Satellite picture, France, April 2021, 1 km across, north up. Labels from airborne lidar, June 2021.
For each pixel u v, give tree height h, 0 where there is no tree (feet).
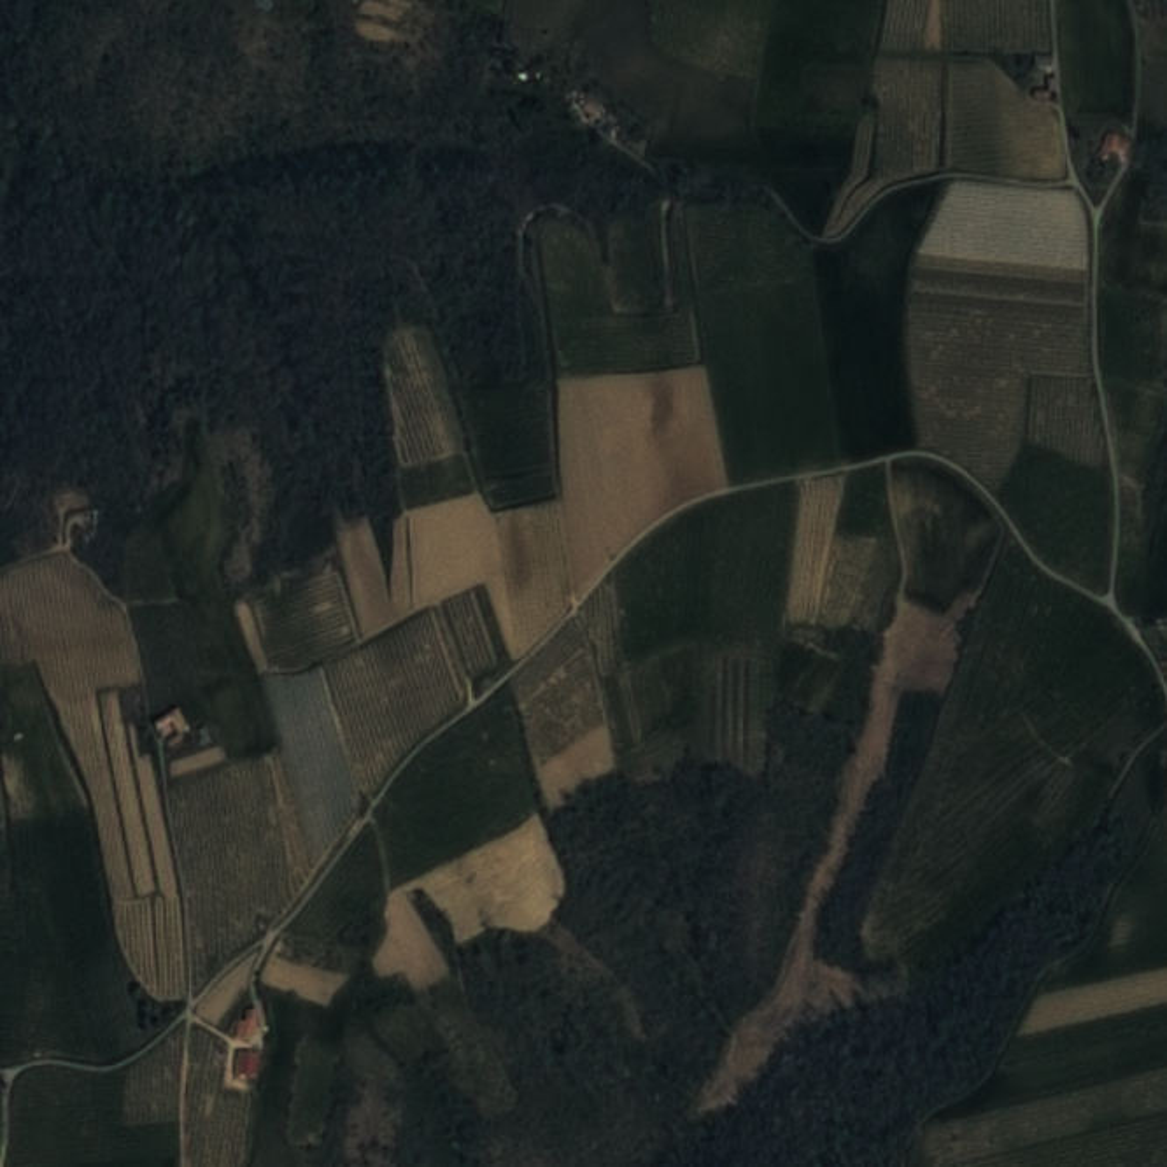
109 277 19
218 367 36
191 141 19
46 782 0
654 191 36
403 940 0
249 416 23
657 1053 19
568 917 42
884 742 0
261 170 31
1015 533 0
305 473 56
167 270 49
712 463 0
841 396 0
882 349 0
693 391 0
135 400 30
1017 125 0
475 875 0
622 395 0
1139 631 22
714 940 80
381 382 28
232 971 0
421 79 34
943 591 0
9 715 0
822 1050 67
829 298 0
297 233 41
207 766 0
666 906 71
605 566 0
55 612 0
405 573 0
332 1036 0
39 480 23
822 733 59
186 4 38
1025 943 38
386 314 29
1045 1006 0
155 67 27
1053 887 33
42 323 40
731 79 0
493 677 0
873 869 44
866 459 0
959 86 0
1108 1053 0
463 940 0
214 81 33
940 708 20
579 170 22
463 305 69
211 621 0
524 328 41
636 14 0
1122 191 0
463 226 72
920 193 0
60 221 56
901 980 115
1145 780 0
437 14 41
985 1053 40
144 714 0
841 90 0
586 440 0
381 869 0
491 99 33
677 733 0
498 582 0
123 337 55
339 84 41
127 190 29
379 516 24
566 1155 24
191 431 0
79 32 34
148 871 0
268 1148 0
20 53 40
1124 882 0
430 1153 20
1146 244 0
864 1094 66
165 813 0
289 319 57
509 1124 35
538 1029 55
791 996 0
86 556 29
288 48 33
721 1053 52
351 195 57
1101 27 0
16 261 76
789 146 0
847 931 36
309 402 51
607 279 0
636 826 59
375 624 0
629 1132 23
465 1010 0
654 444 0
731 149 0
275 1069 0
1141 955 0
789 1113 51
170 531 0
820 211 0
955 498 0
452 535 0
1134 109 0
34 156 73
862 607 0
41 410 45
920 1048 58
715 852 65
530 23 0
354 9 0
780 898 54
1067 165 0
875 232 0
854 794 0
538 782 28
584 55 0
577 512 0
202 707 0
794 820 23
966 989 41
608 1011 29
